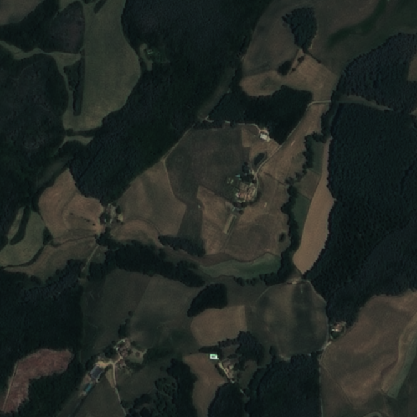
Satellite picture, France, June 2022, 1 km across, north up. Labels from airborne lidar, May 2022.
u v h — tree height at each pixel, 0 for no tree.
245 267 0
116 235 0
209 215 0
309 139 19
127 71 0
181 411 22
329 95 0
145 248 19
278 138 15
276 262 0
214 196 0
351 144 32
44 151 8
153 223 0
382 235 10
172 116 22
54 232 0
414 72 0
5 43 0
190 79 18
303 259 0
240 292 0
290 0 0
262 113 18
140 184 0
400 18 0
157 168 0
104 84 0
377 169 32
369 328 0
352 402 0
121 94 0
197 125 15
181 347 0
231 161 0
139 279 0
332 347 0
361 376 0
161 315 0
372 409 0
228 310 0
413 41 19
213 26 21
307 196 0
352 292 19
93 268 18
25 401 17
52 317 19
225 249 0
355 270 14
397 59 24
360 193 32
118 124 15
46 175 0
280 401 19
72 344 26
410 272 19
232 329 0
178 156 0
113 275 0
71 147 14
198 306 25
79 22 0
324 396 0
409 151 33
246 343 18
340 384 0
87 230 0
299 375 17
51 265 0
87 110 0
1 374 13
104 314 0
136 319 0
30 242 0
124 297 0
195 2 20
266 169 0
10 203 11
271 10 0
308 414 21
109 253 18
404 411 0
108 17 0
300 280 0
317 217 0
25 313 17
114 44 0
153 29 9
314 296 0
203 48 23
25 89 0
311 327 0
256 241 0
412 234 20
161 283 0
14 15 0
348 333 0
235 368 12
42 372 0
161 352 0
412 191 36
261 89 0
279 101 13
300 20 32
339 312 20
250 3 21
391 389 0
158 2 18
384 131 28
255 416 28
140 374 0
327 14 0
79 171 16
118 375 0
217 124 15
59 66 0
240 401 14
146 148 21
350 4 0
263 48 0
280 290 0
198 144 0
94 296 0
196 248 16
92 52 0
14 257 0
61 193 0
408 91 20
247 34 17
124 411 0
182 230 0
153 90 12
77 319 24
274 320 0
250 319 0
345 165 31
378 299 0
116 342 9
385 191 37
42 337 18
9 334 21
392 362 0
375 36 0
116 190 15
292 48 0
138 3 21
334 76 0
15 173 10
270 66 0
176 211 0
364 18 0
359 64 21
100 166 36
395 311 0
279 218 0
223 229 0
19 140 13
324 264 27
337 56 0
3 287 17
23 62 14
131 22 18
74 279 18
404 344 0
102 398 0
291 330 0
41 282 14
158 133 17
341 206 24
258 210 0
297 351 0
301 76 0
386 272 22
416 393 0
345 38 0
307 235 0
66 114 0
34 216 0
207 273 0
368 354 0
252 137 0
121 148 27
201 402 0
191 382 20
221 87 0
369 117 28
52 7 6
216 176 0
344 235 10
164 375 0
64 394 6
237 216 0
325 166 0
